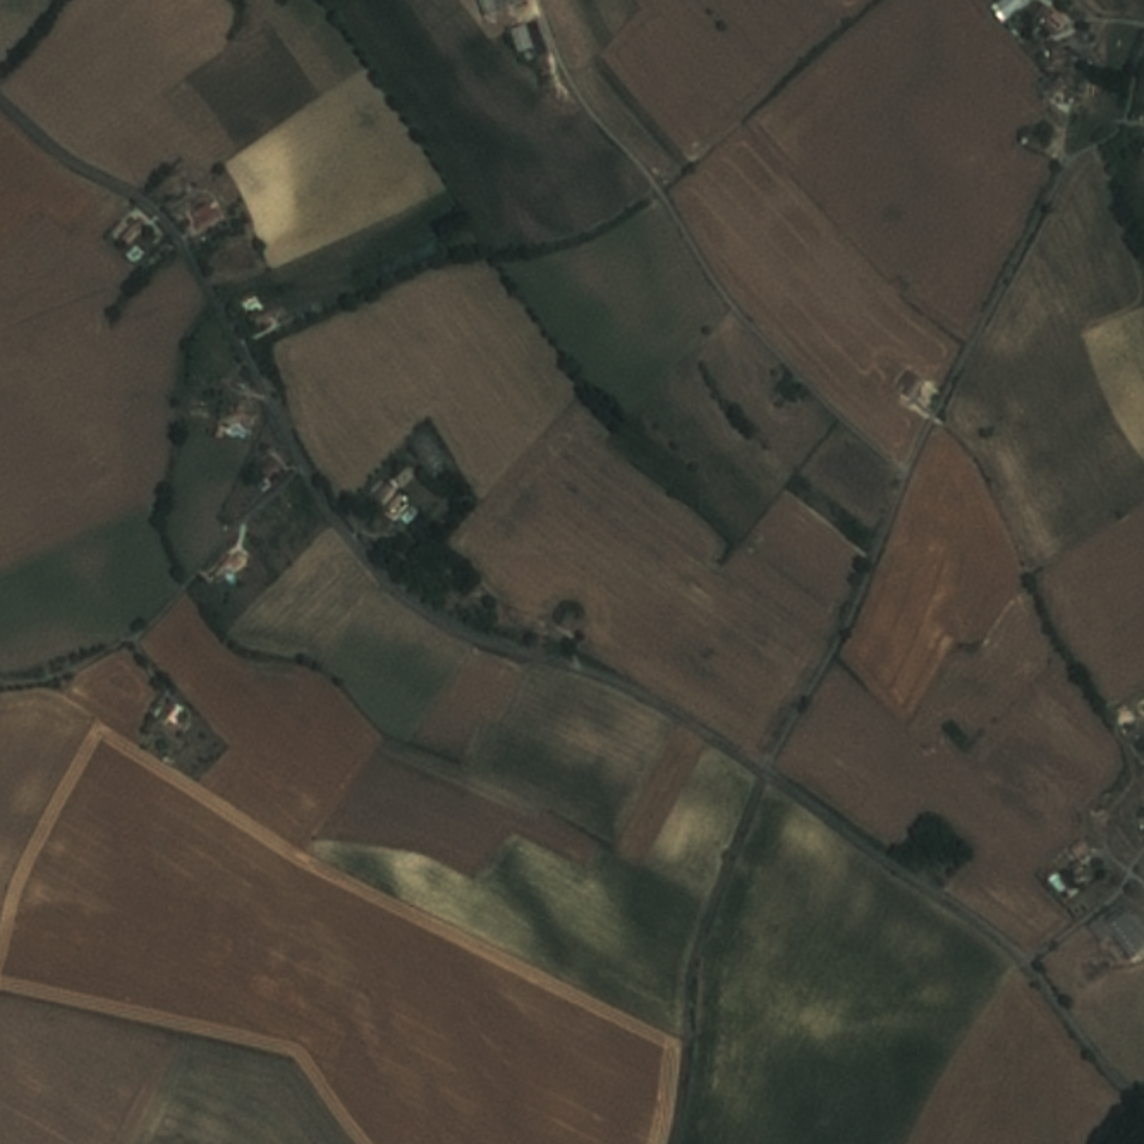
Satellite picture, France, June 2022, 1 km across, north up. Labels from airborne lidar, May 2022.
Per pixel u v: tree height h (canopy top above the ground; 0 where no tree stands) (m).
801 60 6
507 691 0
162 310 0
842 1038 0
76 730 0
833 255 0
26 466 0
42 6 0
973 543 0
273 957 0
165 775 0
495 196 0
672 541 0
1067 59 5
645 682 0
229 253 0
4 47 0
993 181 0
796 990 0
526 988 0
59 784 0
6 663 0
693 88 0
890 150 0
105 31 0
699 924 0
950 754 0
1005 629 0
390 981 0
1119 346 0
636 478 0
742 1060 0
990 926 0
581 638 9
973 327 0
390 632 0
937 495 0
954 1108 0
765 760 0
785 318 0
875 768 0
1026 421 0
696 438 0
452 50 0
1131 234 14
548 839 0
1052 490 0
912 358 0
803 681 0
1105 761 0
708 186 0
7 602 0
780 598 0
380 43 0
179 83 0
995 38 0
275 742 0
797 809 0
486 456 0
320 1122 0
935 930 0
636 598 0
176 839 0
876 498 0
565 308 0
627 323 0
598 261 0
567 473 0
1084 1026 0
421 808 0
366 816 0
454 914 0
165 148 0
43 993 0
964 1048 0
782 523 0
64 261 0
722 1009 0
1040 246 0
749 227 0
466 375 0
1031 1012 0
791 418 0
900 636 0
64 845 0
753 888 0
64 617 0
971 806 0
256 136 0
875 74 0
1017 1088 0
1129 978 0
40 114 0
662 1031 0
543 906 0
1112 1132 15
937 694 0
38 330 0
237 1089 0
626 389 0
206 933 0
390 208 0
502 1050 0
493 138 0
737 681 0
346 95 0
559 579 0
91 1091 0
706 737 0
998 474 0
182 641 0
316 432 0
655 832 0
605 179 0
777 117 0
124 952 0
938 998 0
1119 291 0
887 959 0
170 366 0
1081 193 0
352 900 0
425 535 11
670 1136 0
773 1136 0
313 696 0
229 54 0
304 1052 0
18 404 0
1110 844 0
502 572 0
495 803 0
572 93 0
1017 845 0
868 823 0
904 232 0
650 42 0
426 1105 0
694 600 0
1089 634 0
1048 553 0
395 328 0
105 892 0
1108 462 0
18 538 0
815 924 0
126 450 0
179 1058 0
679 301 0
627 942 0
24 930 0
